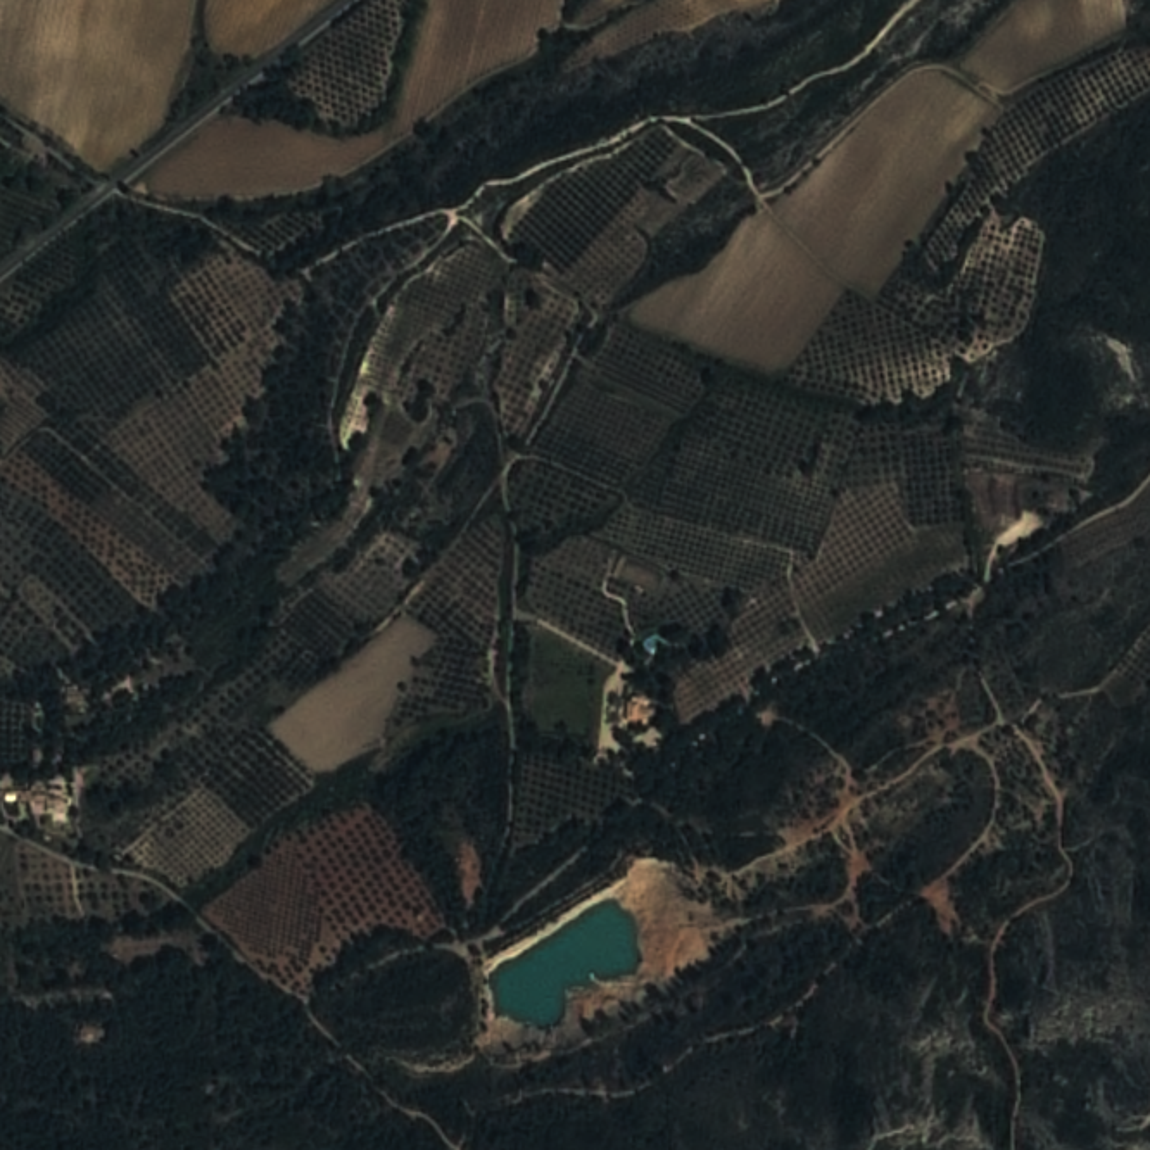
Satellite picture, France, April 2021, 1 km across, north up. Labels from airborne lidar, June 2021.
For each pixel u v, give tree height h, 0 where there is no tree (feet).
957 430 35
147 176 0
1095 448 0
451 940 36
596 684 24
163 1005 36
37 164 36
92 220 51
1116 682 0
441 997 0
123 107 0
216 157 0
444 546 21
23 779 35
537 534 30
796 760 0
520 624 20
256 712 0
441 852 40
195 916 40
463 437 0
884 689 19
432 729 0
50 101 0
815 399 23
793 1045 36
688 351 24
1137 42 0
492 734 25
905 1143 0
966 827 0
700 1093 0
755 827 0
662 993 27
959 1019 0
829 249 0
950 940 24
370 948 45
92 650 50
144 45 0
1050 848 27
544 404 0
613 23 21
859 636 31
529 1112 18
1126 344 0
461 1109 31
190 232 35
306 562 0
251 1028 37
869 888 25
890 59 0
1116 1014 0
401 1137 23
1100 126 0
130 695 37
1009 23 0
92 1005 24
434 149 24
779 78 0
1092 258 0
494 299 18
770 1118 0
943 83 0
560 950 0
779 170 0
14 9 0
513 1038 0
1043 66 0
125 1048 32
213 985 32
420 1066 0
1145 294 0
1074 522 23
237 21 0
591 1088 28
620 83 0
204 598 26
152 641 29
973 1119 0
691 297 0
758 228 0
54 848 0
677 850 38
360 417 0
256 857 28
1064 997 0
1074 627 0
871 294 0
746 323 0
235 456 20
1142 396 0
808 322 0
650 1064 26
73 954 67
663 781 52
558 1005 0
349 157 0
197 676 29
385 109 19
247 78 0
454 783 52
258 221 33
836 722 17
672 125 19
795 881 32
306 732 0
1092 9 0
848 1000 0
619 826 37
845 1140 0
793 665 35
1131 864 0
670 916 0
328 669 31
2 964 41
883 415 32
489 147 31
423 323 0
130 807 52
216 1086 19
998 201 33
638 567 0
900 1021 0
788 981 28
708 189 0
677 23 0
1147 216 0
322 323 20
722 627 29
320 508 41
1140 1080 0
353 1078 24
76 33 0
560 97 0
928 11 0
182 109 37
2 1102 28
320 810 25
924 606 30
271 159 0
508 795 20
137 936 64
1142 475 0
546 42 39
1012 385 0
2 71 0
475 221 0
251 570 19
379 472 0
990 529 0
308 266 33
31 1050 44
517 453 33
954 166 0
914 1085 0
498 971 0
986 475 0
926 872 21
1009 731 27
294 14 0
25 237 48
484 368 0
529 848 23
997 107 0
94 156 0
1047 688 0
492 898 23
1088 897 0
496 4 0
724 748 39
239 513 38
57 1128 31
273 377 36
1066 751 26
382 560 22
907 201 0
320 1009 27
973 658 28
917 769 0
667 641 43
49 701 47
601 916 0
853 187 0
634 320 0
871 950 26
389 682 0
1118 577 0
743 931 28
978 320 32
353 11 21
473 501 0
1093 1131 0
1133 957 0
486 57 0
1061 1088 0
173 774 28
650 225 0
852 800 0
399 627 0
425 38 0
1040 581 30
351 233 27
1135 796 0
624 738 38
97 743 40
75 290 17
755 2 0
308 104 32
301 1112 28
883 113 0
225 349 25
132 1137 26
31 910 0
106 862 51
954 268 29
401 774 31
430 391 46
